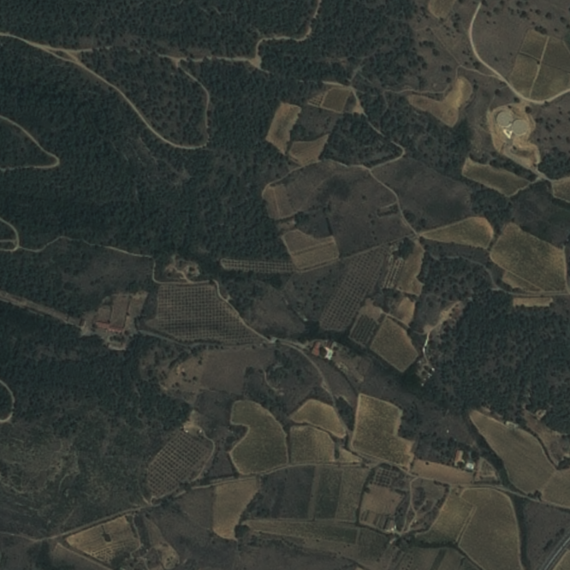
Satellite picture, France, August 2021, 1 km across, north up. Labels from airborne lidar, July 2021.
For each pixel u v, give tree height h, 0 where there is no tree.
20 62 15
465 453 7
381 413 0
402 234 0
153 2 12
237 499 0
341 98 0
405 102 12
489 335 12
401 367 0
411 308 0
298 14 11
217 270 6
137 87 9
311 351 6
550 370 7
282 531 0
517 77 0
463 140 9
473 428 6
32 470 0
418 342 0
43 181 13
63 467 0
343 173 0
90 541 0
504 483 6
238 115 12
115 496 0
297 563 0
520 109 0
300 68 11
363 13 10
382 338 0
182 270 0
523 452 0
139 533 0
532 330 11
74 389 9
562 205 8
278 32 12
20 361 12
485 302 6
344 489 0
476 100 0
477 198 8
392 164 0
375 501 0
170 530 0
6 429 0
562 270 0
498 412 8
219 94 11
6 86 8
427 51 0
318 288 9
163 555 0
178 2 9
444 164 11
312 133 7
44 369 16
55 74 13
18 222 10
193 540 0
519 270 0
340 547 0
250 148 12
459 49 0
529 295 0
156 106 9
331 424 0
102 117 14
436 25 0
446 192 0
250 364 0
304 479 0
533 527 0
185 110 12
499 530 0
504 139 0
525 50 0
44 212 7
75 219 10
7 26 11
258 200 12
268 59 12
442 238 0
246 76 11
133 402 7
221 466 0
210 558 0
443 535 0
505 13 0
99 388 9
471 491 0
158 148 7
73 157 10
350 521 0
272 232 15
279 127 0
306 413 0
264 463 0
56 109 14
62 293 8
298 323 0
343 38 8
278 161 8
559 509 6
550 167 10
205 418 0
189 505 0
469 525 0
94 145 16
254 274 14
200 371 0
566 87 0
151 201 15
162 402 13
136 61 0
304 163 0
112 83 10
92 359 9
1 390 9
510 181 0
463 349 12
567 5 0
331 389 0
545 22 0
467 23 0
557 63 0
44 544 7
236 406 0
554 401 11
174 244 7
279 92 13
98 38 12
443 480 0
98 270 0
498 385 10
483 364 9
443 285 7
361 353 6
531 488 0
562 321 8
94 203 6
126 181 10
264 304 0
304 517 0
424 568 0
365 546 0
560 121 10
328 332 7
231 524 0
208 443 0
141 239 14
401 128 15
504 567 0
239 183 11
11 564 0
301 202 0
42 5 9
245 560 0
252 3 10
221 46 13
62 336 13
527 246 0
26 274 11
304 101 8
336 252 0
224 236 12
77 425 12
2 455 0
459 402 14
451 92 0
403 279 0
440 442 8
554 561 0
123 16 12
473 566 0
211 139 10
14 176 17
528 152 0
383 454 0
